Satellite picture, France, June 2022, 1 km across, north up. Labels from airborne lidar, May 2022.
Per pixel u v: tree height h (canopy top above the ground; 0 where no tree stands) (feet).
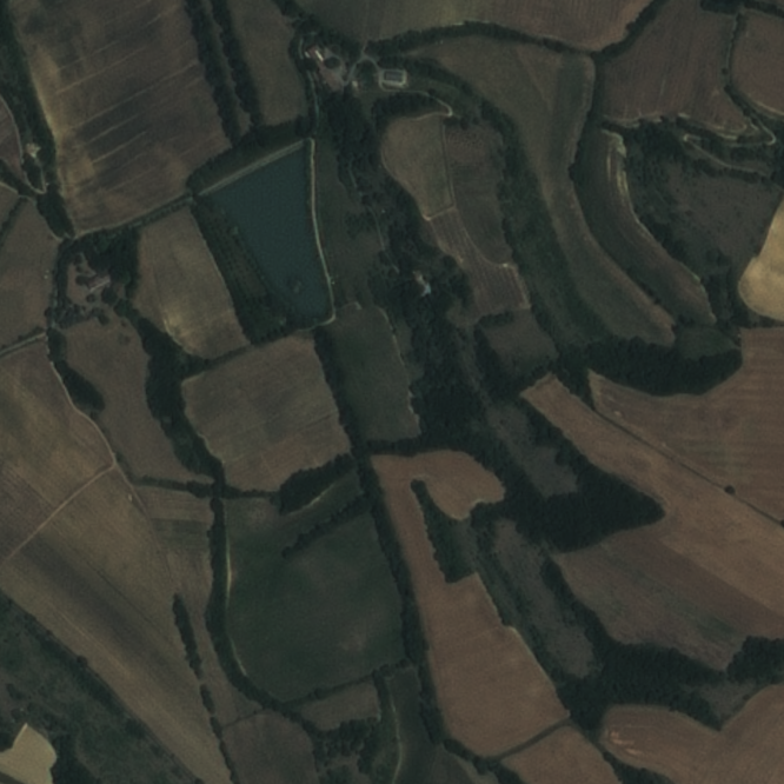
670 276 0
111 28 0
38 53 0
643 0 0
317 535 40
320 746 24
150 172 0
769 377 0
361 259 0
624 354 48
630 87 0
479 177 0
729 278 20
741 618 0
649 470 0
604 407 0
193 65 0
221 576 40
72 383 46
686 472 0
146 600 0
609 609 0
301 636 0
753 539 0
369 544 0
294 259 0
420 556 0
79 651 0
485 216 0
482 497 0
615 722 0
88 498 0
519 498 53
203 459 19
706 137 31
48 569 0
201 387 0
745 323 34
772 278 0
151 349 46
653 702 55
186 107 0
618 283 0
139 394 0
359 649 0
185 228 0
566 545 38
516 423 0
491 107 39
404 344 0
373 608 0
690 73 0
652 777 25
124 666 0
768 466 0
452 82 19
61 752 37
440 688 0
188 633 50
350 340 0
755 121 30
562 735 0
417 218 19
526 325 0
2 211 0
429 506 42
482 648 0
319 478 45
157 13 0
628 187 0
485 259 0
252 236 0
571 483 0
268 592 0
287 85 0
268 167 0
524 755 0
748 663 46
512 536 0
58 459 0
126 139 0
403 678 0
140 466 0
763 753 0
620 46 30
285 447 0
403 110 33
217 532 48
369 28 0
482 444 31
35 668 0
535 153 0
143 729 22
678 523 0
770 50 0
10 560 0
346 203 0
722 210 0
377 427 0
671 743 0
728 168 26
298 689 0
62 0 0
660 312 0
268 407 0
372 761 26
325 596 0
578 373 35
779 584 0
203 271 0
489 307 0
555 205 0
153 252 0
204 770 0
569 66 0
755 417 0
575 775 0
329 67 41
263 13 0
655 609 0
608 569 0
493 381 42
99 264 40
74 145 0
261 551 0
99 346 0
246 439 0
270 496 25
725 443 0
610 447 0
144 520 0
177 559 0
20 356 0
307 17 27
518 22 0
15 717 22
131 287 40
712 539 0
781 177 31
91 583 0
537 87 0
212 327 0
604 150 0
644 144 30
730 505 0
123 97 0
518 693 0
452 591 0
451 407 43
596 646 30
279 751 0
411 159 0
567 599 27
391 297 42
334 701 0
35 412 0
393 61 28
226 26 35
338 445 0
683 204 0
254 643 0
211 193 0
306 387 0
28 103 20
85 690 21
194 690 0
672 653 33
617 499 40
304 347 0
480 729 0
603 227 0
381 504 37
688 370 31
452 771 0
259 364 0
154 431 0
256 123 37
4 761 0
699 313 0
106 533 0
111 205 0
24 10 0
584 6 0
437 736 68
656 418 0
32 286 0
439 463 0
